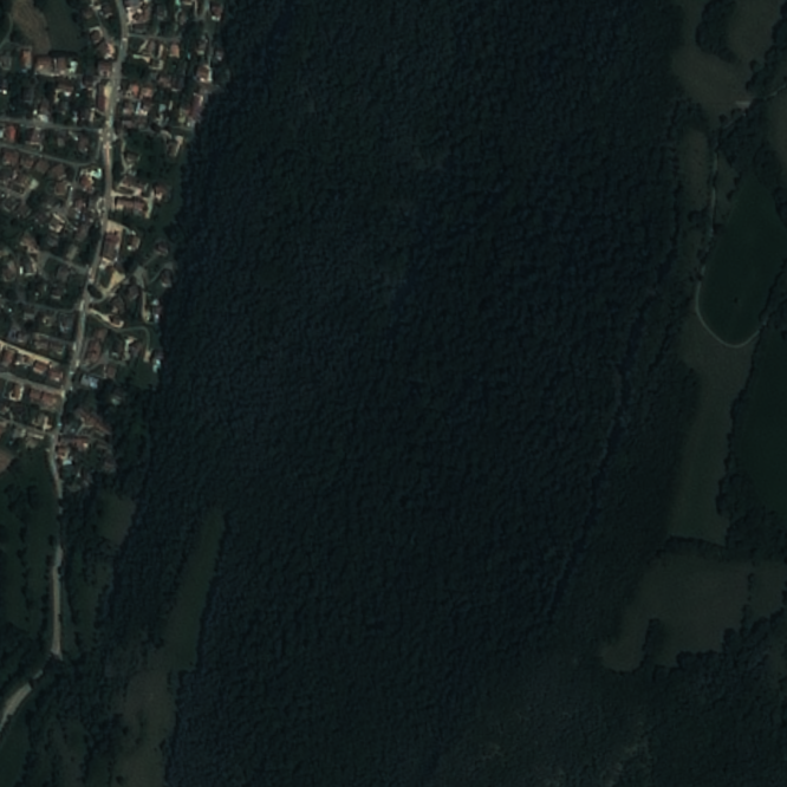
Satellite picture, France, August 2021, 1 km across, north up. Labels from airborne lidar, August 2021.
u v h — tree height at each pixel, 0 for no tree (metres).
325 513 16
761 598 0
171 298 19
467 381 19
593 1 16
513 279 20
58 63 0
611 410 25
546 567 24
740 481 18
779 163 13
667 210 24
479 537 23
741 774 19
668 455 14
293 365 17
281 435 14
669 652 0
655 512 16
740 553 9
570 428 25
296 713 17
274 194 16
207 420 10
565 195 26
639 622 0
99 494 20
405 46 15
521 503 24
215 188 13
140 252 9
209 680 16
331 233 20
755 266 0
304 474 13
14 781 0
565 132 13
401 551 16
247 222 20
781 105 0
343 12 12
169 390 13
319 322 14
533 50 19
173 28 13
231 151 15
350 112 18
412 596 20
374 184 25
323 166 22
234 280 22
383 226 19
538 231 24
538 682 9
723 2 17
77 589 9
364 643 18
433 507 25
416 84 15
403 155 10
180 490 16
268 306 17
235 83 8
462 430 18
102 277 0
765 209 0
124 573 15
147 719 0
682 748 14
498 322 18
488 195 18
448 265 24
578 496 28
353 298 18
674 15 21
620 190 28
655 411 19
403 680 14
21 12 0
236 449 17
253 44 8
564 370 25
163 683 0
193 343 17
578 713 11
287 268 16
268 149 25
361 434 19
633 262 29
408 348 22
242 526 13
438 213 20
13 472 10
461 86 19
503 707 6
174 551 15
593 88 20
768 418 0
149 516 15
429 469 25
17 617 0
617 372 25
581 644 13
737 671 16
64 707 8
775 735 20
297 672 19
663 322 11
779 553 10
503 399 31
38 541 0
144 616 13
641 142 19
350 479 19
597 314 26
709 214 10
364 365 22
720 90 0
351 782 11
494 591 23
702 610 0
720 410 0
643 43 17
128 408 12
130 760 0
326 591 17
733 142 15
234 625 16
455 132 16
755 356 7
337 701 17
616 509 21
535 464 23
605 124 12
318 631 14
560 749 12
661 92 18
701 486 0
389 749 11
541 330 23
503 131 18
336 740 17
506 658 21
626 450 24
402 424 23
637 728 7
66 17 0
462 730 8
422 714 16
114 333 7
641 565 14
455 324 20
